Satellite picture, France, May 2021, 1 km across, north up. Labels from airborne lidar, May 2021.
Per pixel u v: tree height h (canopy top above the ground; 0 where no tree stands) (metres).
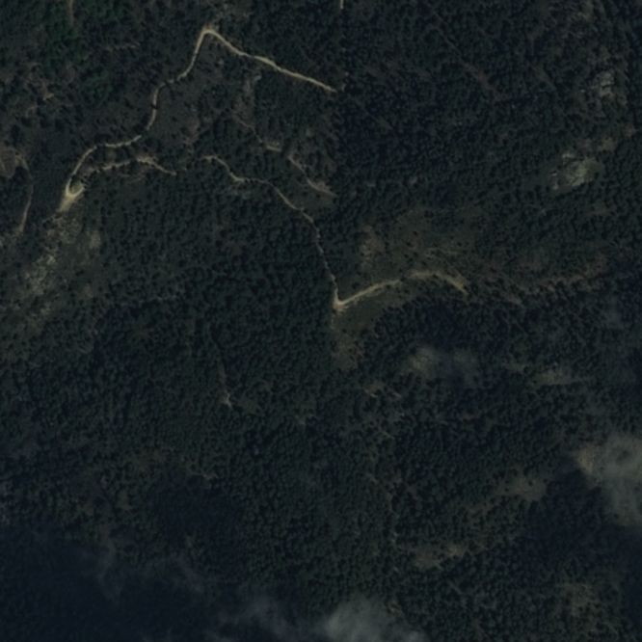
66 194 0
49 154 19
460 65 11
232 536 19
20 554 24
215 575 33
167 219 18
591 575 25
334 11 33
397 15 14
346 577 21
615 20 30
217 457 17
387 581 28
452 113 18
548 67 31
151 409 22
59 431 24
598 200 28
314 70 32
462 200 18
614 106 25
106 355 29
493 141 16
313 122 18
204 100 11
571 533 32
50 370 28
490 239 12
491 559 28
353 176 25
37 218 10
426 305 34
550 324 29
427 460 22
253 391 28
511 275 12
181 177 18
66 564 22
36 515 27
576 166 0
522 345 27
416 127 30
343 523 22
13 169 0
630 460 12
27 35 10
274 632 24
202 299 34
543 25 22
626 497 18
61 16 18
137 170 21
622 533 23
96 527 21
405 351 21
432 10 37
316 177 10
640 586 23
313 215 12
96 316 27
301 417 27
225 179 20
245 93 14
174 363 21
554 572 19
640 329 28
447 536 17
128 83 26
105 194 13
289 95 8
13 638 28
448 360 0
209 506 31
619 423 19
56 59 18
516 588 20
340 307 0
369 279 24
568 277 16
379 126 33
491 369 20
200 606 29
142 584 23
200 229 27
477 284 6
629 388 22
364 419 21
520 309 33
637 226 28
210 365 33
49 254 18
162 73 25
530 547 28
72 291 25
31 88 12
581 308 30
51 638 19
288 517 30
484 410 30
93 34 13
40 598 27
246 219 28
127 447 20
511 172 27
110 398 20
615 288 34
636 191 27
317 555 33
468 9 30
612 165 25
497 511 20
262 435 21
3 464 19
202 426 26
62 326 28
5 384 30
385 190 18
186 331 17
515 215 25
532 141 21
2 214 19
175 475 21
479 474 26
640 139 21
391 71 35
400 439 25
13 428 21
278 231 27
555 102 26
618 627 7
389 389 17
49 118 30
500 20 26
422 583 14
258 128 9
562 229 27
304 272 25
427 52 8
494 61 24
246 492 36
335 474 28
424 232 6
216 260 34
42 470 19
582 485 30
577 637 27
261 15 27
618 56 26
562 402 25
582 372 19
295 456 29
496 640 27
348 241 12
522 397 30
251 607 34
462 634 25
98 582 16
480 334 16
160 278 20
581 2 28
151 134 27
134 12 32
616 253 9
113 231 16
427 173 22
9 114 29
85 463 21
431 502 30
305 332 27
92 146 20
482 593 26
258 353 35
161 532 30
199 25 15
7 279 20
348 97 35
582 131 22
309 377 33
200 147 20
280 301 32
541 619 21
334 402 33
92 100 28
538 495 0
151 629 20
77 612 34
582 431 15
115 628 18
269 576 30
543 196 25
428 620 17
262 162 18
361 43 28
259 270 27
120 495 20
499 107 14
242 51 10
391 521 33
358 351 10
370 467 20
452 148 23
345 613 23
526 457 18
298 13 34
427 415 29
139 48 22
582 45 25
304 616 33
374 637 22
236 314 32
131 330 18
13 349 23
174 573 31
